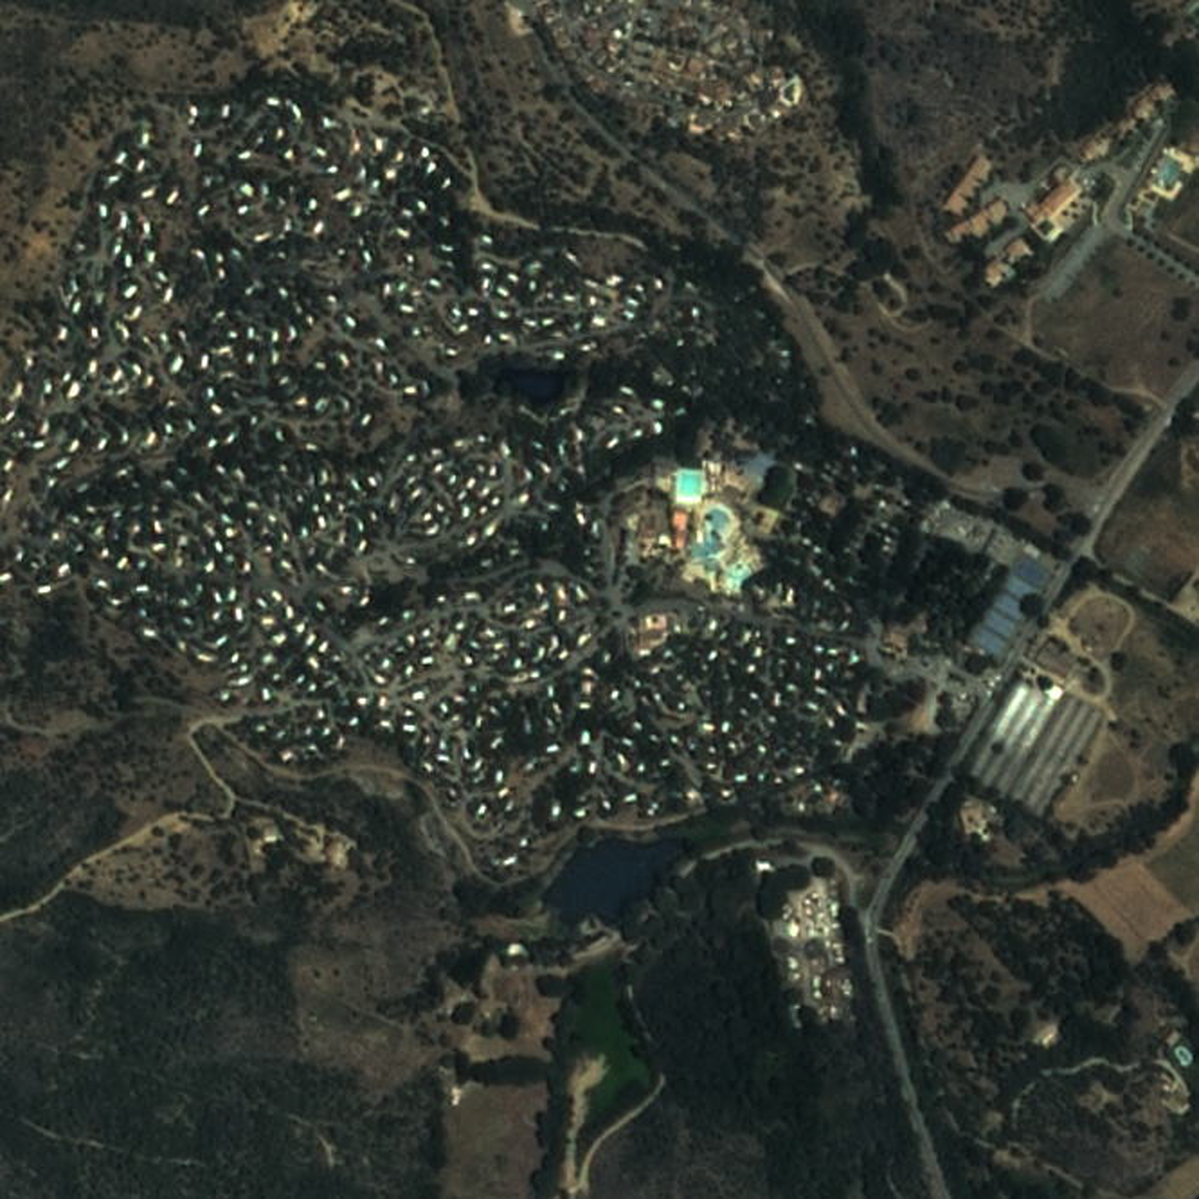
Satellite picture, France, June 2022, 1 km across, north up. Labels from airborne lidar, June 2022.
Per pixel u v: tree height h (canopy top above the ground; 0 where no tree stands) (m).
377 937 0
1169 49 13
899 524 15
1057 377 8
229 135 10
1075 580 8
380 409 6
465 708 9
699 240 7
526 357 10
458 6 7
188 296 9
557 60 10
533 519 6
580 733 8
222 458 8
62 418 7
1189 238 0
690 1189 6
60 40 0
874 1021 7
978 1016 10
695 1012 6
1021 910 11
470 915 7
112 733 6
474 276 8
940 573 16
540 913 0
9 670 6
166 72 0
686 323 10
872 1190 13
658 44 9
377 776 0
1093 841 12
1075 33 8
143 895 7
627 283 6
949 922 0
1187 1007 13
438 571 9
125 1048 8
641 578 8
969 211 7
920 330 0
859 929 7
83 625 0
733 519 0
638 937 13
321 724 8
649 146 11
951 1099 9
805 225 0
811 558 7
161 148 12
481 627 6
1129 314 0
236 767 0
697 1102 7
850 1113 0
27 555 6
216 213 7
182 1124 5
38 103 7
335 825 11
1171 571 0
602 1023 0
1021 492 17
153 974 6
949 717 15
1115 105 13
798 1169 11
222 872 6
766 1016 14
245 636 15
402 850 5
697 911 15
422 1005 7
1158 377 0
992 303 6
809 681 9
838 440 10
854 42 7
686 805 6
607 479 13
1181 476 0
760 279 9
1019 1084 6
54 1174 7
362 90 9
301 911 6
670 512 11
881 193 8
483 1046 0
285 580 8
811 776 7
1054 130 7
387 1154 6
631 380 10
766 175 7
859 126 9
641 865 0
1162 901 0
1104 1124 6
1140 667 0
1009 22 9
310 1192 7
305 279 8
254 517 8
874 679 16
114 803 5
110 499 7
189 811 8
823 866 13
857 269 14
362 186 6
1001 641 0
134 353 12
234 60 0
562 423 7
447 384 19
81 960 8
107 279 7
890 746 13
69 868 7
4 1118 7
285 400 8
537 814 6
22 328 9
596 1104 0
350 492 7
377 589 7
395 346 9
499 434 8
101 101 7
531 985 0
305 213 8
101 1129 10
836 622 7
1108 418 0
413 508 7
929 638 8
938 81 0
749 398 13
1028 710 0
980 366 10
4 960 0
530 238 6
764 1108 6
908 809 23
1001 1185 8
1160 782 0
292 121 8
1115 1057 6
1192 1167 0
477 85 6
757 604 7
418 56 9
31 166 0
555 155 9
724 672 10
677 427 8
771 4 6
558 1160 8
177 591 7
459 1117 0
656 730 7
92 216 7
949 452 11
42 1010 0
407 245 7
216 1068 6
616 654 8
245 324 10
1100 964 15
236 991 10
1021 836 18
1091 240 0
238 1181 8
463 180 6
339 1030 0
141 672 7
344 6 8
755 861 8
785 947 12
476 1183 0
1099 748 0
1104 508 0
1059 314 0
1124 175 0
